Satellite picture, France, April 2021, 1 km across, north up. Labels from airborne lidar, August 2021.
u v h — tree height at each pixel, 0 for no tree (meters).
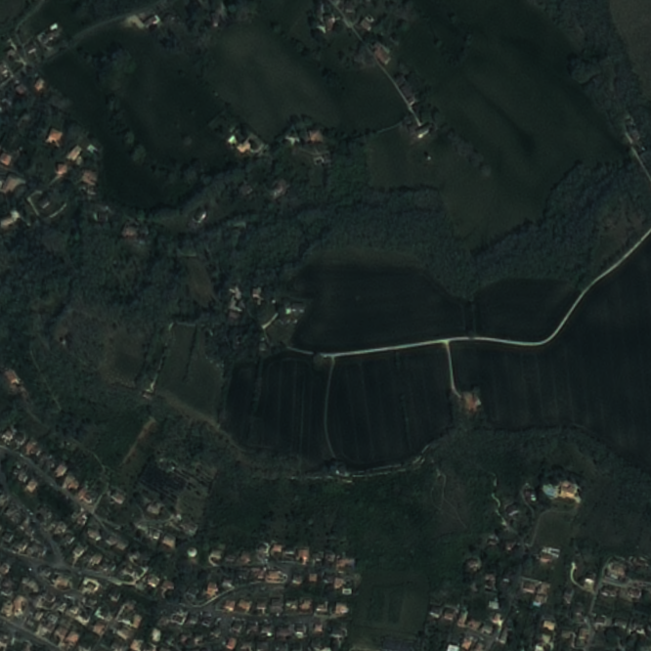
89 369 15
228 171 12
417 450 0
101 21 11
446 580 13
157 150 0
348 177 8
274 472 10
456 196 0
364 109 0
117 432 6
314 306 0
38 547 0
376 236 15
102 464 6
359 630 0
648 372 0
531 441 16
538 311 0
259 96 0
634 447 0
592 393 0
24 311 7
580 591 9
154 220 10
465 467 16
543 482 14
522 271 13
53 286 11
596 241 12
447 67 0
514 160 0
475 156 16
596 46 7
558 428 8
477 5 0
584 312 0
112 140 0
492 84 0
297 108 0
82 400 8
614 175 8
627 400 0
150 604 7
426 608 0
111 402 14
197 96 0
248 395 0
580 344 0
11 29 12
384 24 11
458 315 0
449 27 0
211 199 21
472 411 7
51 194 12
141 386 9
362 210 18
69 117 7
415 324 0
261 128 0
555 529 0
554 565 0
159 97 0
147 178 0
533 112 0
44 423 12
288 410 0
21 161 9
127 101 0
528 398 0
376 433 0
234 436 0
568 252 20
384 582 0
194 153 0
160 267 19
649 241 0
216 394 0
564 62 0
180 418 7
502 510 6
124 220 13
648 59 0
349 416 0
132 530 6
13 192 0
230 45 0
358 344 0
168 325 8
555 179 0
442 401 0
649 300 0
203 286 0
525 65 0
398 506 5
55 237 19
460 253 21
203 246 18
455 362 0
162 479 8
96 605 6
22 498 0
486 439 13
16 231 6
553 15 14
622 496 9
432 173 0
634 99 16
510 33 0
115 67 19
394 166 0
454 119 0
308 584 6
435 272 13
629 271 0
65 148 9
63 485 9
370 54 11
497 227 0
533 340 0
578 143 0
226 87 0
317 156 0
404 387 0
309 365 0
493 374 0
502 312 0
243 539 6
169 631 6
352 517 7
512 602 7
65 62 0
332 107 0
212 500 11
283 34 8
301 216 12
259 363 6
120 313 17
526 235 18
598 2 16
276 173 8
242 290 11
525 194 0
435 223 13
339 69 0
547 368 0
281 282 6
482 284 13
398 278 0
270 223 6
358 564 12
